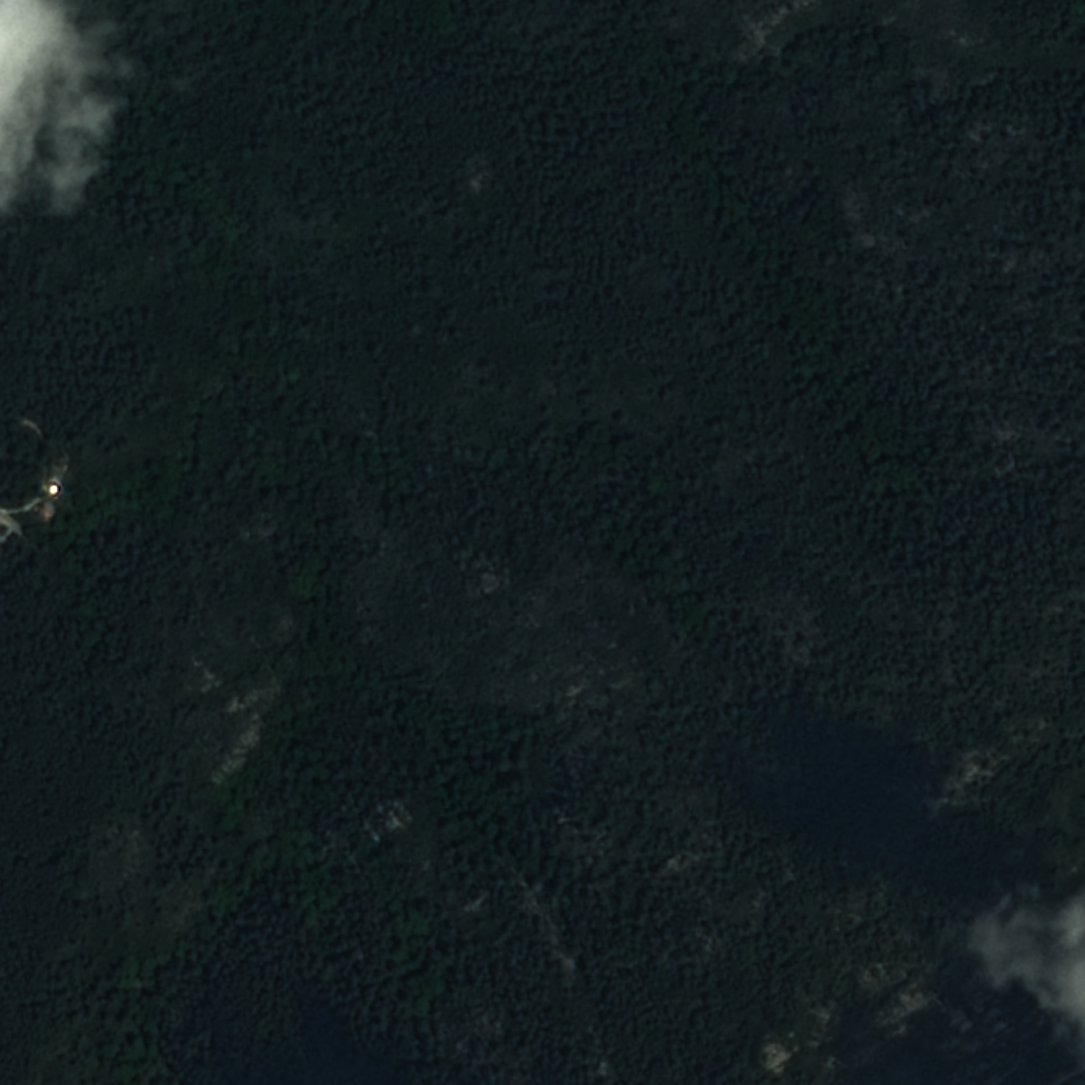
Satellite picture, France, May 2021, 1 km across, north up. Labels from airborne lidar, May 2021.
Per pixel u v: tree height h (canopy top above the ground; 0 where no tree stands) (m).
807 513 16
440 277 8
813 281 12
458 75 19
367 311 8
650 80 25
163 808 25
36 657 24
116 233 9
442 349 8
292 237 8
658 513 19
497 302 14
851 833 14
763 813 16
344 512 6
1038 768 19
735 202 25
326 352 8
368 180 7
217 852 6
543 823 19
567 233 18
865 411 28
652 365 6
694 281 5
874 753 11
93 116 13
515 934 15
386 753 9
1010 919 19
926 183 6
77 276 8
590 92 18
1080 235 12
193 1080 27
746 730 13
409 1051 22
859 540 6
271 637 8
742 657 15
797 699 15
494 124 26
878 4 6
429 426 20
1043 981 7
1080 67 6
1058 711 17
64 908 20
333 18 16
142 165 20
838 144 5
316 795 22
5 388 22
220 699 9
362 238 9
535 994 20
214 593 13
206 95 14
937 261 6
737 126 25
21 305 24
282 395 10
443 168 19
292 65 8
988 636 14
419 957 16
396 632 7
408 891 8
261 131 15
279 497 14
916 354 19
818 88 7
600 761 6
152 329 10
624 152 7
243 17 8
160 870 15
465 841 18
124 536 21
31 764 20
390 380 18
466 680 7
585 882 5
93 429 20
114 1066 21
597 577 7
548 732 6
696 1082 17
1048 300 13
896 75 8
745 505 13
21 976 16
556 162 31
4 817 26
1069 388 16
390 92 15
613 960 23
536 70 19
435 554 7
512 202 10
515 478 9
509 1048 9
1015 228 6
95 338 31
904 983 9
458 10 20
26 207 9
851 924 13
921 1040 6
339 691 8
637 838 15
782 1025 16
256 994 23
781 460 6
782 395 8
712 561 18
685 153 15
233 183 10
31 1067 20
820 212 26
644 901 18
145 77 19
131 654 19
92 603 20
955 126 7
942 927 17
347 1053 20
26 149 12
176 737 6
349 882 22
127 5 11
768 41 6
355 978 25
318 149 17
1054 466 15
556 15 6
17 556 18
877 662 13
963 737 18
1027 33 12
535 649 6
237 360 22
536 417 7
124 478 8
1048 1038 18
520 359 7
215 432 11
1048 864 6
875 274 6
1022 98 19
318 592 26
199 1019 23
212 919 12
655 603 16
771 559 21
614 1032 17
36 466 6
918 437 19
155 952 17
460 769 21
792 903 15
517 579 8
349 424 7
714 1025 13
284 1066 15
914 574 20
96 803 20
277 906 15
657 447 6
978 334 12
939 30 6
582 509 19
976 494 16
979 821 19
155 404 29
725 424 13
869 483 21
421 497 14
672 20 26
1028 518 14
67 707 6
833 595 15
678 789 13
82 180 11
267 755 12
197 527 9
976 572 19
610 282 16
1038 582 16
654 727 15
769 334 14
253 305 25
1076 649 13
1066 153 17
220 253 24
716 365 15
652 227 11
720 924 13
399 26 21
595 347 18
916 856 14
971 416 14
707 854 11
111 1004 21
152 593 20
